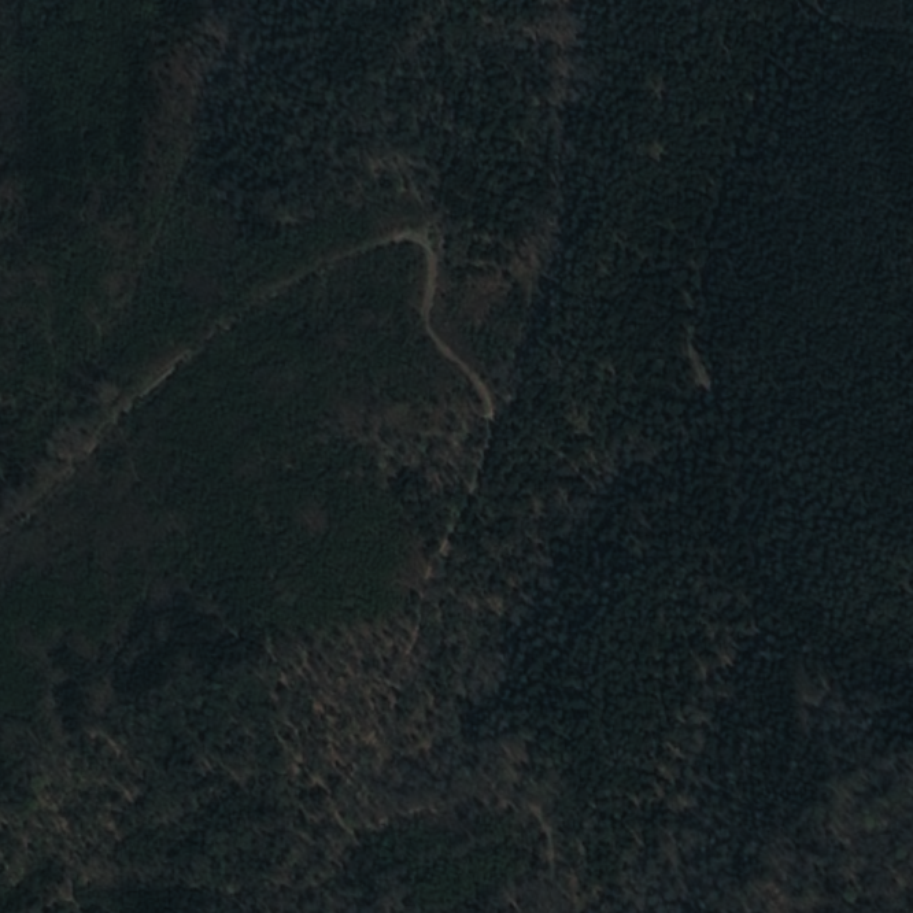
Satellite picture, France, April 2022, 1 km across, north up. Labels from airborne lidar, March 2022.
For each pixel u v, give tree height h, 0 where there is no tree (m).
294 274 11
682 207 23
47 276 9
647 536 17
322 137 17
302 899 6
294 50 24
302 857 31
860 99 22
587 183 31
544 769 23
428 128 13
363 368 8
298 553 9
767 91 39
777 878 32
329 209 11
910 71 23
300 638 11
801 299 19
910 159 30
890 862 31
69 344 14
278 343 10
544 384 24
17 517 27
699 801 32
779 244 21
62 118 11
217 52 29
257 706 28
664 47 30
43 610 13
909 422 21
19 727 13
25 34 11
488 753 29
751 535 21
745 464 32
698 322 34
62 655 17
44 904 14
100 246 11
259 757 25
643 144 25
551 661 29
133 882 9
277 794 27
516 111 34
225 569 9
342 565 11
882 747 19
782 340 21
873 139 23
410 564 13
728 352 26
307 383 9
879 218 21
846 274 17
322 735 31
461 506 21
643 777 23
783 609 29
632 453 37
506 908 33
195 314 12
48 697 9
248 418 9
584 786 22
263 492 9
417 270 7
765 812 13
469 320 10
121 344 8
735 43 24
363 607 13
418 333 9
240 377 9
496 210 7
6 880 27
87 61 13
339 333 8
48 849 26
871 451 18
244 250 12
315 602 15
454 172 10
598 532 27
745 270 24
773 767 12
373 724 29
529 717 30
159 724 26
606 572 16
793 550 24
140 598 11
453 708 32
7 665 14
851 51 24
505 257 20
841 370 6
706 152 28
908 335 17
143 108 12
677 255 24
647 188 20
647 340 24
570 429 29
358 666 30
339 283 9
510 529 33
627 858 30
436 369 10
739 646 25
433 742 34
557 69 34
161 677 18
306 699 27
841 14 20
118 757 25
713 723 35
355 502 9
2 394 6
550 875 24
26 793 23
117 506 13
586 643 27
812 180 17
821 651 35
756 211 24
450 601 31
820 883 31
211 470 9
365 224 9
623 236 25
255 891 27
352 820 28
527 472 22
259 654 12
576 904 32
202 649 19
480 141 13
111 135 13
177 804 24
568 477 32
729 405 34
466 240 11
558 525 26
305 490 9
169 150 13
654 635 29
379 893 27
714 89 30
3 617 13
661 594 22
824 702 37
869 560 17
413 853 15
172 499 12
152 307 15
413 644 29
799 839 12
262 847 27
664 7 24
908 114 24
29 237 10
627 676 27
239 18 24
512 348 10
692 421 22
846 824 25
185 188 16
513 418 22
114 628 10
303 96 25
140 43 14
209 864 28
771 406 26
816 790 19
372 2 21
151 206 12
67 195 10
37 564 14
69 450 26
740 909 33
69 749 10
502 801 13
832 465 23
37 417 10
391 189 15
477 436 25
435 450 8
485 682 38
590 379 23
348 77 16
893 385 22
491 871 15
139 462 9
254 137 12
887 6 19
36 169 10
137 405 8
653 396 16
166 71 12
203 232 11
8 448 10
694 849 32
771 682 28
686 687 29
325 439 29
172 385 6
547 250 35
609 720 34
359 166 7
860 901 33
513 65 32
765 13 30
